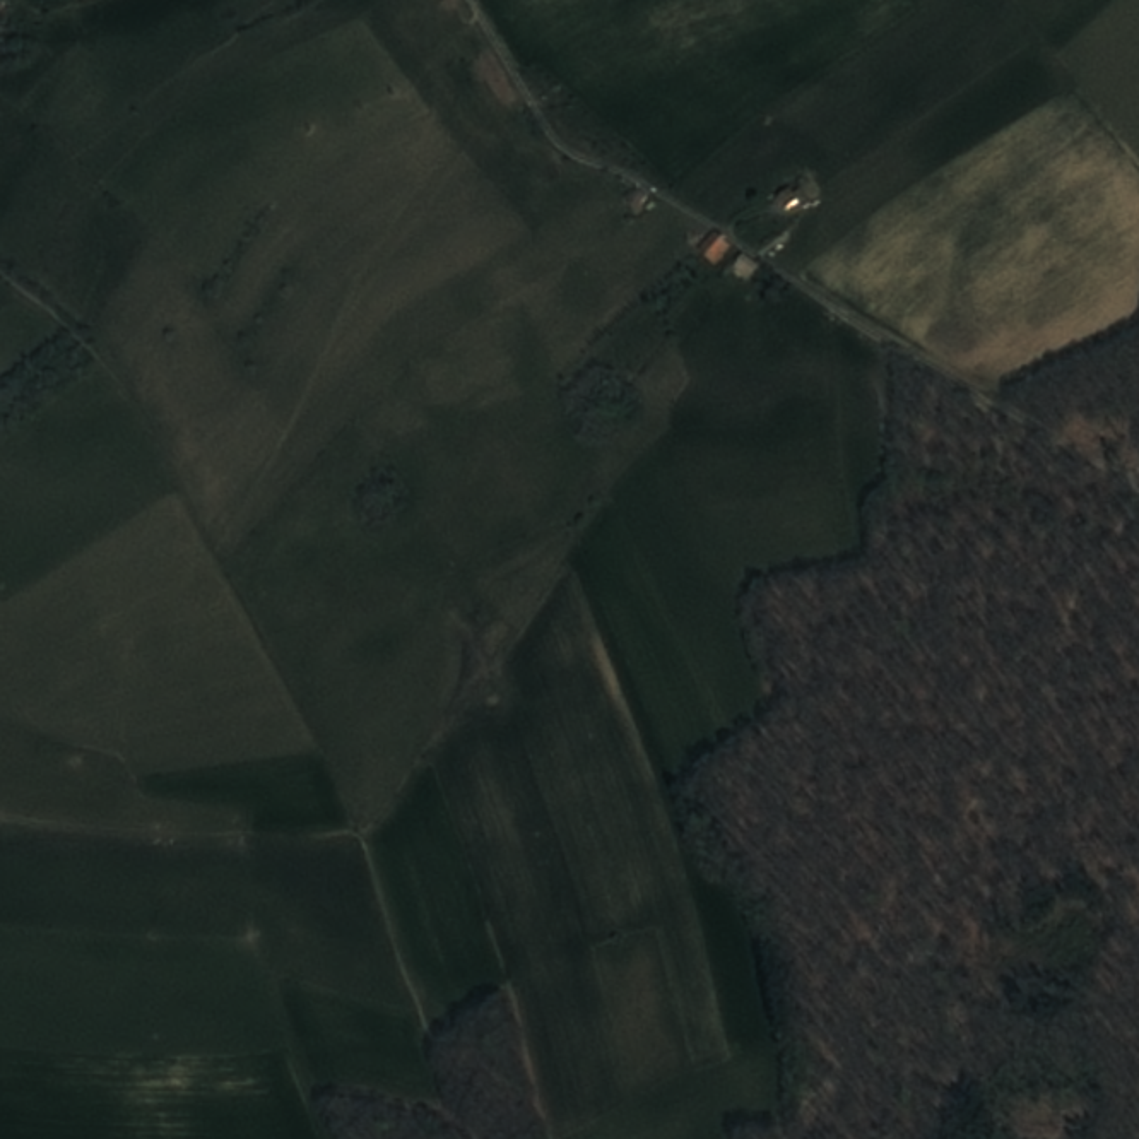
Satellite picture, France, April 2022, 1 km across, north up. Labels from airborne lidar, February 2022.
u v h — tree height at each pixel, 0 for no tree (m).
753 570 0
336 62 0
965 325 0
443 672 0
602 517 0
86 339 14
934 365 0
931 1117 33
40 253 0
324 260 0
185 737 0
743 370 0
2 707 0
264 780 0
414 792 0
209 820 0
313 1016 0
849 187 0
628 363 0
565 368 0
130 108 0
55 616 0
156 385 0
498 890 0
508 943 0
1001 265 0
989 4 0
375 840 0
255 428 0
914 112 0
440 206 0
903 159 0
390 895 0
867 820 31
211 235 0
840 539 0
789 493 0
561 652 0
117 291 0
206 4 0
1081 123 0
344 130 0
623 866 0
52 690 0
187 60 0
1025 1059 28
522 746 0
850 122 0
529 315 0
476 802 0
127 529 0
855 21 0
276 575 0
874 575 27
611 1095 0
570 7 0
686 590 0
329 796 0
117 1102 0
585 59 0
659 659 0
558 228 0
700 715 0
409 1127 32
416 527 0
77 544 0
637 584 0
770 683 9
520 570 0
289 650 0
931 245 0
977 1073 32
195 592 0
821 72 0
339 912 0
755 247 0
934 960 31
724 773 34
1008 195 0
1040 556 31
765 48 0
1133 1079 35
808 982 33
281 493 0
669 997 0
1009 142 0
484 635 0
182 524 0
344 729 0
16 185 0
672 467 0
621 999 0
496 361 0
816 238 0
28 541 0
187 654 0
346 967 0
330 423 0
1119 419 27
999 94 0
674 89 0
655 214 0
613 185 0
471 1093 26
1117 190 0
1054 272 0
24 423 8
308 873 0
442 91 0
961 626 30
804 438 0
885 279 0
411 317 0
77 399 0
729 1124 0
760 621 11
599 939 0
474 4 0
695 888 0
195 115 0
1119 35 0
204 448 0
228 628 0
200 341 0
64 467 0
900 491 20
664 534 0
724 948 0
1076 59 0
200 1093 0
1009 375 0
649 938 0
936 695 28
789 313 0
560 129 0
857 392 0
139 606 0
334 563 0
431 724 0
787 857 35
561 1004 0
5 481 0
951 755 31
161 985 0
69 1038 0
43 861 0
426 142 0
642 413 9
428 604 0
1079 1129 0
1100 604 30
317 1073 0
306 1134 0
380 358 0
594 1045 0
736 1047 0
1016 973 0
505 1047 35
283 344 0
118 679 0
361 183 0
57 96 0
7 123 0
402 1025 0
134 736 0
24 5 0
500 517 0
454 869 0
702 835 23
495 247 0
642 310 0
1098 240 0
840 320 0
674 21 0
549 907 0
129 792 0
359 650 0
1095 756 28
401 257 0
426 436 0
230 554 0
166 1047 0
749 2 0
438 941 0
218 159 0
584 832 0
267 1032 0
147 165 0
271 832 0
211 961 0
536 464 0
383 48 0
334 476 0
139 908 0
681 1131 0
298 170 0
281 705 0
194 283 0
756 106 0
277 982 0
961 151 0
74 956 0
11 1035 0
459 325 0
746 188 0
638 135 0
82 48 0
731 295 0
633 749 0
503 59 0
